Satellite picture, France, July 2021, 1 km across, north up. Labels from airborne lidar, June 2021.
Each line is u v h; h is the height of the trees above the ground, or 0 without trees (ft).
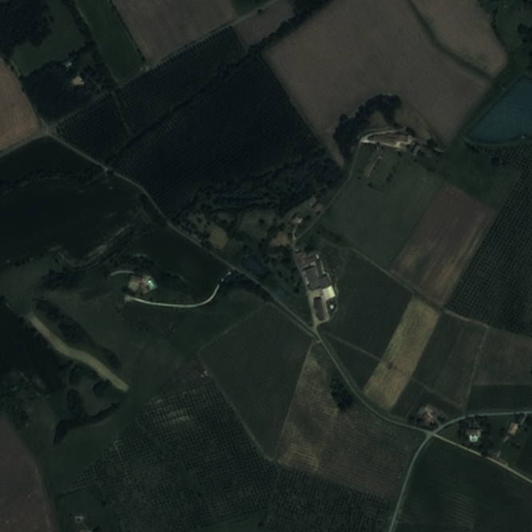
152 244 0
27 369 0
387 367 0
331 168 38
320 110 0
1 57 0
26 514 0
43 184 0
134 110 63
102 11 0
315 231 0
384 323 0
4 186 80
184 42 0
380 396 0
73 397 34
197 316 0
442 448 0
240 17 0
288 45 0
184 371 0
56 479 0
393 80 0
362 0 0
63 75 70
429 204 0
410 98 0
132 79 0
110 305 0
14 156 0
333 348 0
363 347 0
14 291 0
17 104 0
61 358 0
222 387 0
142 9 0
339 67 0
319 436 0
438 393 0
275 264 38
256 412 0
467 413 0
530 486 0
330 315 0
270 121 64
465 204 0
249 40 0
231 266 0
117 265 24
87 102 52
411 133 30
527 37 26
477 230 0
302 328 0
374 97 0
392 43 0
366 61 0
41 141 0
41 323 0
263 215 0
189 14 0
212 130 74
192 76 49
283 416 0
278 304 0
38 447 0
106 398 0
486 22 0
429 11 0
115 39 0
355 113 0
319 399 0
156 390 0
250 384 0
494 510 0
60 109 31
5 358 0
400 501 0
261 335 0
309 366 0
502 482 0
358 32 0
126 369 0
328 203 0
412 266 0
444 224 0
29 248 0
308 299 0
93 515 0
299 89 0
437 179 0
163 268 0
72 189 0
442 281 0
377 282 0
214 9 0
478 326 0
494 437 0
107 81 62
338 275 0
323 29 0
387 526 0
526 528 0
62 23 0
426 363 0
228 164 81
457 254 0
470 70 0
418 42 0
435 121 0
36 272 0
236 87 64
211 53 59
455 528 0
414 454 0
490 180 0
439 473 0
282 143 69
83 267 0
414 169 0
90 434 0
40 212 0
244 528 0
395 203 0
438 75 0
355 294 0
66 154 0
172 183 74
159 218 59
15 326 0
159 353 0
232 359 0
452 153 0
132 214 0
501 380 0
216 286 0
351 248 0
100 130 65
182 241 0
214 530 0
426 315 0
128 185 0
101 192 0
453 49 0
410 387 0
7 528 0
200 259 0
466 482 0
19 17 61
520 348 0
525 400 0
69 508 0
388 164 0
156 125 48
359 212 0
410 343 0
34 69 0
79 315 0
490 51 0
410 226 0
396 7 0
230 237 36
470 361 0
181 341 0
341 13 0
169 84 59
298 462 0
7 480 0
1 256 0
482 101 0
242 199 43
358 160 0
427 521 0
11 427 0
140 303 0
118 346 0
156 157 66
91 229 0
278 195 38
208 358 0
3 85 0
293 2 0
